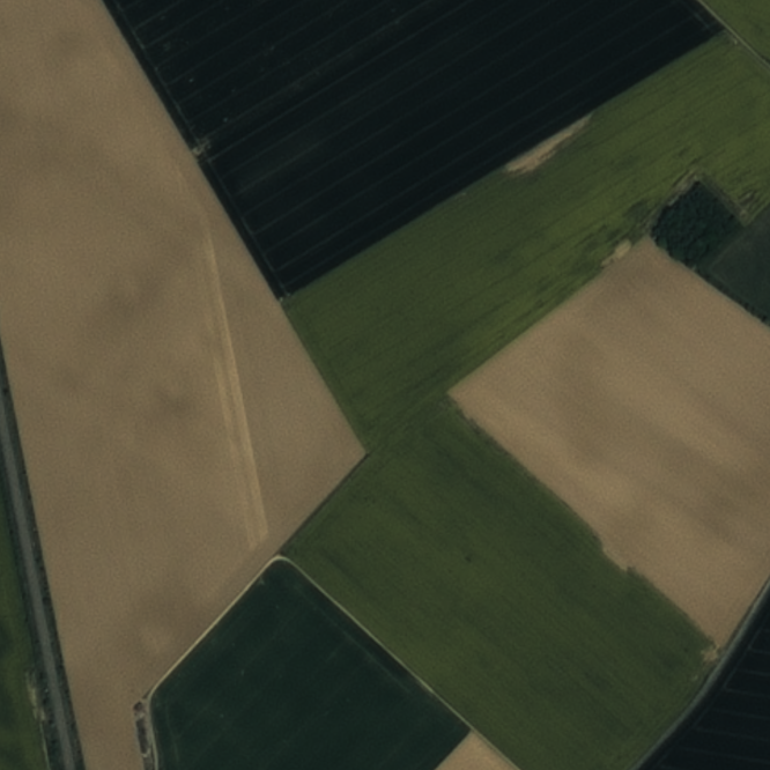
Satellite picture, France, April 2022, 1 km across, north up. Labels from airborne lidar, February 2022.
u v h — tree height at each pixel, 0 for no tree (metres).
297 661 0
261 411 0
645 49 0
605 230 0
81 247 0
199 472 0
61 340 0
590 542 0
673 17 0
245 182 0
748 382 0
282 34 0
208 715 0
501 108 0
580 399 0
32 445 0
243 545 0
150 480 0
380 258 0
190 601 0
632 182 0
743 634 0
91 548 0
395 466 0
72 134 0
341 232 0
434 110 0
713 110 0
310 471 0
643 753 0
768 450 0
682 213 15
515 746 0
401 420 0
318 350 0
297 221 0
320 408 0
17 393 0
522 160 0
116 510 0
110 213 0
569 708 0
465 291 0
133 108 0
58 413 0
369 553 0
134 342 0
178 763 0
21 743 0
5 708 0
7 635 0
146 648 0
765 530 0
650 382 0
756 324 0
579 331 0
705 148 0
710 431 0
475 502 0
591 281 0
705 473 0
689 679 0
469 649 0
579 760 0
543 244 0
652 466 0
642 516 0
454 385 0
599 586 0
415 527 0
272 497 0
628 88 0
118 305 0
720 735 0
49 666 0
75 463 0
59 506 0
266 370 0
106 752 0
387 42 0
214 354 0
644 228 0
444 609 0
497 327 0
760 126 0
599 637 0
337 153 0
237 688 0
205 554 0
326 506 0
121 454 0
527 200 0
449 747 0
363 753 0
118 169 0
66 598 0
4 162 0
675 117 0
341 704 0
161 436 0
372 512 0
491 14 0
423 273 0
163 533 0
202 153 0
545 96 0
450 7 0
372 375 0
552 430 0
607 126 0
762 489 0
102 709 0
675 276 0
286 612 0
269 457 0
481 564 0
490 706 0
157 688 0
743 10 0
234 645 0
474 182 0
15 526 0
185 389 0
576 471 0
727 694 0
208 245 0
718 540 0
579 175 0
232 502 0
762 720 0
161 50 0
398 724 0
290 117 0
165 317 0
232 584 0
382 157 0
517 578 0
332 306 0
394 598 0
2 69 0
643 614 0
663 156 0
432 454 0
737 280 0
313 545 0
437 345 0
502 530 0
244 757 0
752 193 0
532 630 0
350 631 0
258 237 0
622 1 0
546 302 0
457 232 0
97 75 0
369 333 0
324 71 0
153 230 0
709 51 0
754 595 0
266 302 0
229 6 0
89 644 0
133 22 0
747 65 0
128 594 0
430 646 0
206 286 0
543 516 0
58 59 0
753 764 0
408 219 0
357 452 0
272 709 0
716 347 0
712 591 0
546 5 0
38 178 0
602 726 0
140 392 0
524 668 0
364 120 0
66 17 0
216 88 0
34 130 0
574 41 0
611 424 0
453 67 0
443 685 0
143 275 0
